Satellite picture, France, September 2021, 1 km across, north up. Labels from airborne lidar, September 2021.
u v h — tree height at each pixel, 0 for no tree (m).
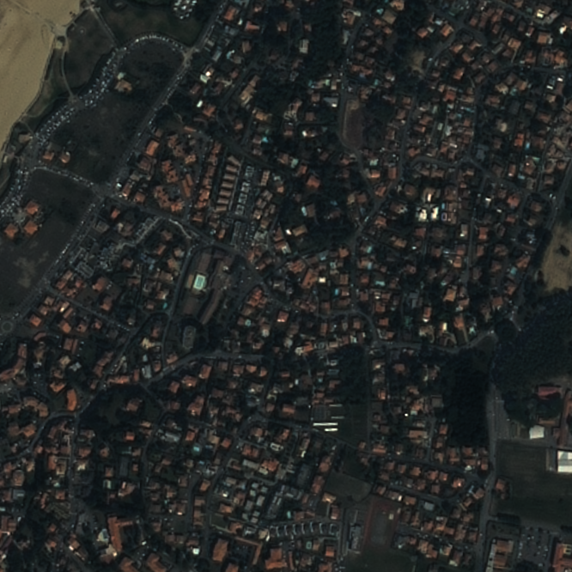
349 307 7
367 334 7
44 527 7
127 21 0
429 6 0
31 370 11
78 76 0
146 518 11
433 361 12
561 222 0
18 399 7
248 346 8
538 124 13
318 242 19
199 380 7
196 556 6
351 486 0
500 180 0
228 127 9
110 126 0
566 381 0
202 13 15
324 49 20
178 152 0
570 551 0
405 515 0
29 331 0
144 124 0
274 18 13
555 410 22
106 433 9
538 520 0
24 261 0
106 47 0
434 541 7
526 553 0
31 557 18
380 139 20
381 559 0
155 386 8
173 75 0
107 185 0
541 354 24
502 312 9
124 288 6
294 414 0
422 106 0
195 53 0
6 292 0
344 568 0
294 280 11
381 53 10
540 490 0
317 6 14
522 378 23
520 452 0
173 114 6
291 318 7
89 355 0
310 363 15
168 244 6
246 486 7
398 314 10
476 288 9
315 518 0
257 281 0
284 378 8
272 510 0
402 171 0
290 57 15
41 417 7
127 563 0
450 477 7
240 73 8
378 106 21
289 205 15
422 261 12
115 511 18
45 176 0
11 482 9
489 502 0
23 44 0
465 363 12
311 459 13
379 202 0
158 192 0
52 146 0
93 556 13
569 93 13
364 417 0
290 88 8
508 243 9
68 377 11
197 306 0
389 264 8
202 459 6
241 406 12
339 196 18
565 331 21
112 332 0
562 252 12
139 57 0
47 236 0
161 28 0
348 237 20
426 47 14
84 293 0
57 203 0
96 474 6
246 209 0
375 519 0
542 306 7
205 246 0
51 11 0
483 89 6
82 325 0
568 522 0
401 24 10
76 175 0
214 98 8
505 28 13
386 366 8
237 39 10
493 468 8
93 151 0
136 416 7
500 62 9
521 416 22
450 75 7
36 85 0
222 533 0
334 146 20
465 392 15
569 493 0
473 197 10
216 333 15
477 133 8
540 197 8
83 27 0
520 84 0
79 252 0
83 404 0
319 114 18
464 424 14
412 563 0
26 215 0
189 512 0
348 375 18
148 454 6
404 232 19
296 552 7
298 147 10
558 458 0
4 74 0
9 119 0
